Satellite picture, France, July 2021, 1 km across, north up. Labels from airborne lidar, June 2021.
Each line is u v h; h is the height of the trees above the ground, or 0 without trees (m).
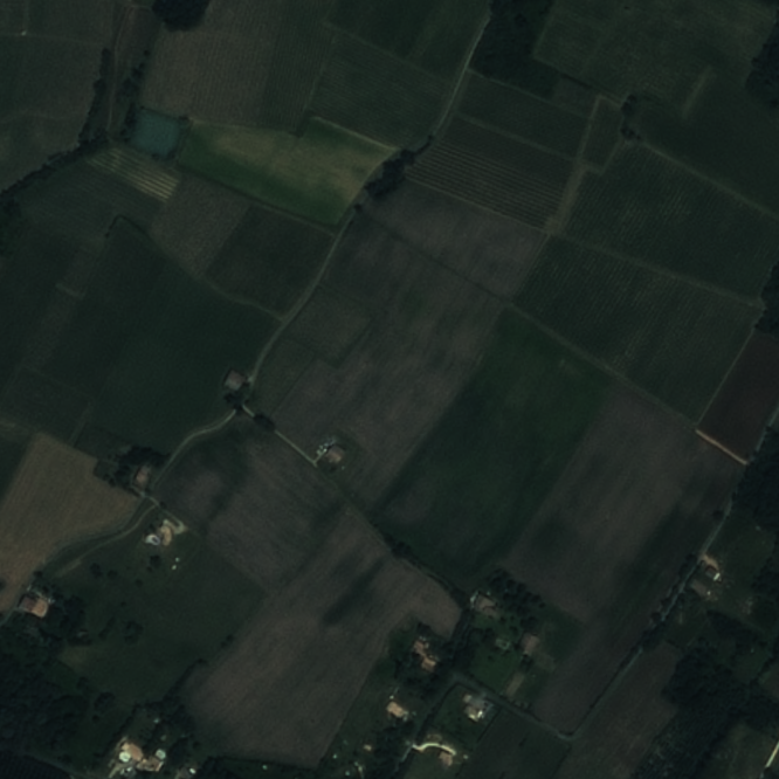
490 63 7
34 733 20
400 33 0
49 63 0
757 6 0
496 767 0
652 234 0
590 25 0
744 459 0
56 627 8
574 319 0
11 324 0
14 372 0
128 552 0
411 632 0
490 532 0
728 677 14
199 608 0
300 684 0
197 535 0
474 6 0
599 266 0
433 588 0
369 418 0
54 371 0
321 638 0
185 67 0
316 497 0
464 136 0
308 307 0
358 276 0
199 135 0
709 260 0
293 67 0
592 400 0
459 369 0
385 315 0
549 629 0
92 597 0
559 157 0
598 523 0
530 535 0
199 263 0
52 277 0
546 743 0
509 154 0
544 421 0
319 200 0
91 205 0
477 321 0
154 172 0
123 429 0
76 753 0
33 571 0
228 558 0
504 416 0
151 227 0
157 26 0
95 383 0
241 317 0
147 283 0
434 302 0
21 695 12
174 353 0
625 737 0
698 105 0
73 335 0
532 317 0
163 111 0
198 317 0
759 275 0
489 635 8
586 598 0
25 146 0
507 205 0
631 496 0
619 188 0
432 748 0
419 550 0
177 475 0
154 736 8
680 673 13
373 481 0
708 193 0
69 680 0
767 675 9
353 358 0
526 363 0
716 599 0
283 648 0
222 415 0
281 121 0
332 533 0
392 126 0
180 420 0
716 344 0
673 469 0
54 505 0
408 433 0
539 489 0
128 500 0
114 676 0
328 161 0
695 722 8
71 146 0
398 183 10
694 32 0
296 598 0
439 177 0
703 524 0
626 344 0
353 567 0
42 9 0
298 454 0
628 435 0
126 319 0
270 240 0
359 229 0
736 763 0
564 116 0
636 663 0
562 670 0
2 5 0
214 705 0
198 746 11
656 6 0
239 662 0
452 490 0
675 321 0
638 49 0
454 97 0
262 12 0
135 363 0
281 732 0
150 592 0
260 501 0
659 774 7
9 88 0
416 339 0
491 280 0
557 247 0
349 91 0
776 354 0
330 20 0
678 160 0
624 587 0
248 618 0
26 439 0
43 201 0
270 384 0
